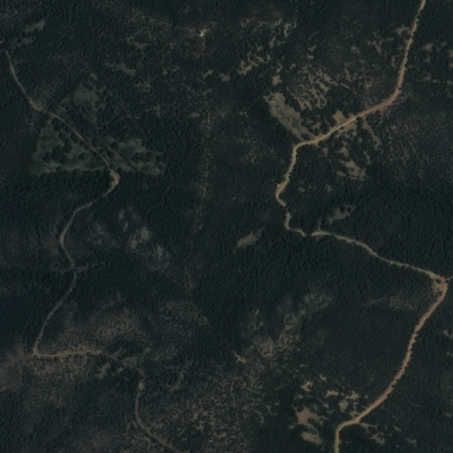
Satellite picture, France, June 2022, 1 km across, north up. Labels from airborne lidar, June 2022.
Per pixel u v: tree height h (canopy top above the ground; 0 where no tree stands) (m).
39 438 12
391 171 9
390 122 10
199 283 6
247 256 16
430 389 10
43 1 12
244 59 16
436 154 9
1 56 10
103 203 15
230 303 12
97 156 20
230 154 6
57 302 12
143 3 7
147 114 12
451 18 12
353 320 8
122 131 7
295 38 9
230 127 8
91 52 9
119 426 7
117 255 9
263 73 13
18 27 7
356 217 15
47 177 9
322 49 7
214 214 14
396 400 10
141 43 10
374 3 11
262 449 7
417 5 12
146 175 14
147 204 16
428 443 11
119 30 10
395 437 5
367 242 12
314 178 10
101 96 11
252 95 16
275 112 0
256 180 12
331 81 11
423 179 10
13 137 9
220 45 7
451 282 8
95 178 13
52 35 11
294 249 11
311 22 10
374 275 11
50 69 9
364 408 7
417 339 14
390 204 15
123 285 12
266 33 9
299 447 9
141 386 0
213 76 7
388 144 10
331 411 17
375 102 9
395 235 11
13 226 8
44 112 10
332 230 16
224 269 5
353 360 9
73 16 6
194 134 10
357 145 12
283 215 10
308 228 11
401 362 7
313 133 14
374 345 9
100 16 12
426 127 7
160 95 8
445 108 11
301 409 8
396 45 11
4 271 14
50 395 6
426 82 12
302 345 7
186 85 9
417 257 13
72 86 9
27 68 9
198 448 6
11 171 11
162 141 14
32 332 10
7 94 12
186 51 6
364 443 18
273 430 10
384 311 10
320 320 9
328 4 12
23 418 9
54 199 10
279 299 6
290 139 10
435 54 15
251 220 11
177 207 11
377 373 8
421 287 9
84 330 7
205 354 9
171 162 9
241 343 8
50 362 12
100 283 15
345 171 15
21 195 13
